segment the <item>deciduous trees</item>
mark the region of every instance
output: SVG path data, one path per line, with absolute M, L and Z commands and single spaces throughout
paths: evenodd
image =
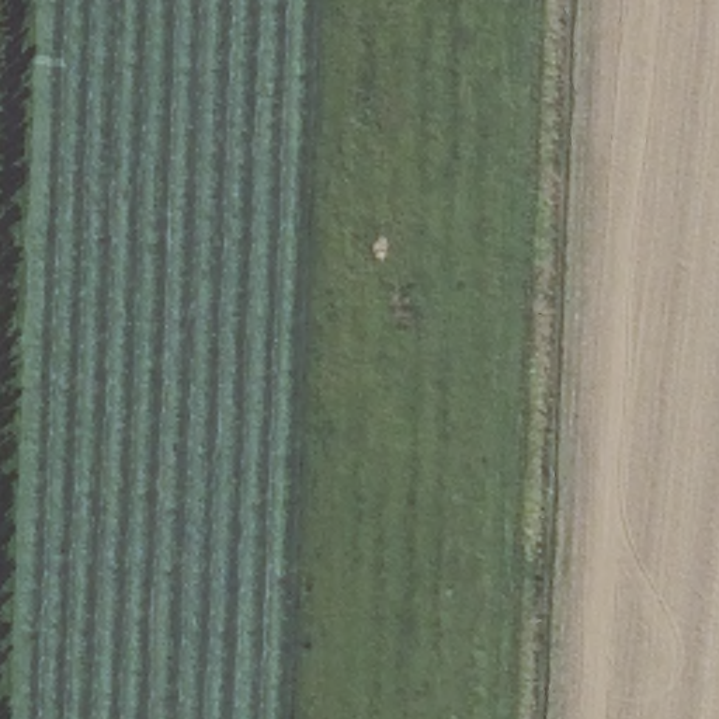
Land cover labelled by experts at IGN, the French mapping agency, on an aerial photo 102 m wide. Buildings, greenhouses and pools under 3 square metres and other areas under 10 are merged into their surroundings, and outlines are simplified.
M 548 0 L 0 0 L 0 719 L 531 719 L 536 632 L 534 550 L 539 542 L 545 374 L 531 368 L 531 360 L 534 301 L 548 298 L 550 278 L 550 183 L 556 140 L 553 98 L 559 39 L 559 22 L 548 28 Z

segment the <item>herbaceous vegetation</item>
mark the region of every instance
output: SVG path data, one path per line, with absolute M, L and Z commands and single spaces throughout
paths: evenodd
M 553 98 L 556 140 L 550 183 L 550 278 L 548 298 L 534 301 L 531 360 L 531 368 L 545 374 L 539 542 L 534 550 L 536 632 L 531 719 L 567 719 L 567 711 L 573 711 L 581 699 L 584 660 L 584 612 L 581 604 L 573 604 L 570 559 L 576 520 L 576 441 L 587 430 L 587 424 L 581 421 L 581 337 L 590 303 L 587 258 L 590 239 L 595 233 L 595 213 L 607 211 L 604 194 L 609 188 L 609 160 L 593 152 L 601 0 L 548 0 L 548 28 L 559 22 L 559 39 Z

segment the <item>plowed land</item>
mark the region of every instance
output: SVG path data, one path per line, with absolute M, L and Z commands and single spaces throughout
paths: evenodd
M 581 604 L 584 612 L 584 660 L 581 699 L 573 711 L 567 711 L 567 719 L 719 719 L 719 0 L 601 0 L 593 152 L 609 160 L 609 188 L 604 194 L 607 211 L 595 213 L 595 233 L 590 239 L 587 258 L 590 303 L 581 337 L 581 421 L 587 424 L 587 430 L 576 441 L 576 520 L 570 559 L 573 604 Z

